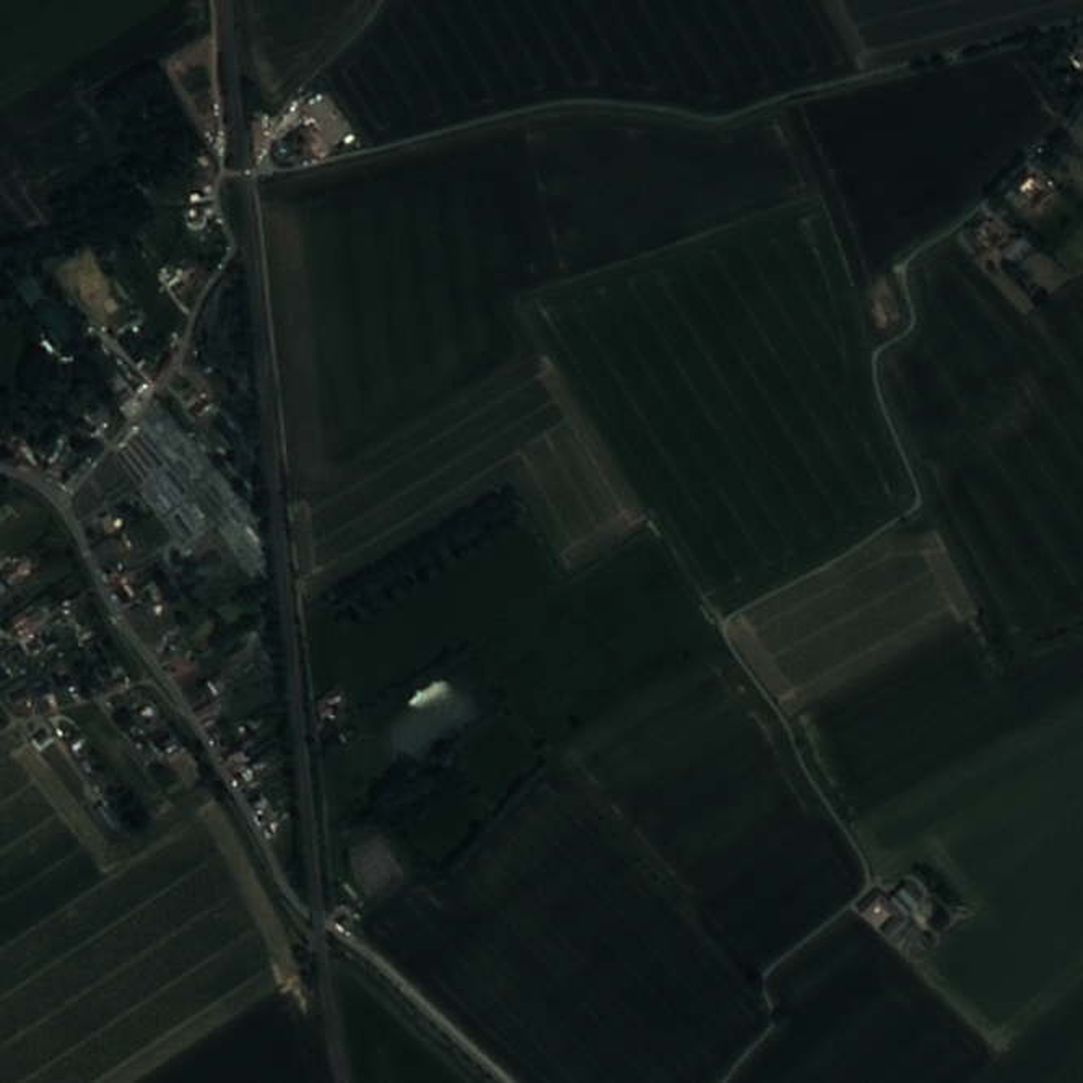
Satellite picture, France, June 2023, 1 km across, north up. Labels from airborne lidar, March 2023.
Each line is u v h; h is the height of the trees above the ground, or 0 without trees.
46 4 0
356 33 0
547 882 0
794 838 0
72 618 0
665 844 0
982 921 0
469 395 0
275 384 0
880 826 0
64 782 0
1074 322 0
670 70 0
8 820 0
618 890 0
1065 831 0
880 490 0
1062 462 0
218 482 0
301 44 0
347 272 0
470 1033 0
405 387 0
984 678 0
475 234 0
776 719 0
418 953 0
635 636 0
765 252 0
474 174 0
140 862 0
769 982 0
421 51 0
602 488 0
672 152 0
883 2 0
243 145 0
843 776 0
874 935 0
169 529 0
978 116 0
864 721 0
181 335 0
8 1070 0
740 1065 0
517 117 0
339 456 0
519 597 0
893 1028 0
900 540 0
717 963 0
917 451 0
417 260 0
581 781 0
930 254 0
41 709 0
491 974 0
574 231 0
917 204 0
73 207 23
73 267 0
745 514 0
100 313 0
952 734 0
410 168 0
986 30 0
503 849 0
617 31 0
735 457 0
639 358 0
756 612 0
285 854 0
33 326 9
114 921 0
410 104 0
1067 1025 0
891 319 0
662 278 0
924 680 0
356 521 0
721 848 0
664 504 0
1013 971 0
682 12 0
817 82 0
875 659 0
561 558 0
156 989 0
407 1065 0
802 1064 0
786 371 0
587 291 0
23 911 0
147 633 0
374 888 0
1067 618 0
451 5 0
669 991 0
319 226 0
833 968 0
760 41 0
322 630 0
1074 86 16
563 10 0
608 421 0
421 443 0
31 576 0
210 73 0
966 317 0
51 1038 0
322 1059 0
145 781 0
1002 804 0
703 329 0
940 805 0
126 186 14
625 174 0
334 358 0
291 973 0
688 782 0
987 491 0
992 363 0
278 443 0
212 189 0
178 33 0
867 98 0
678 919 0
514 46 0
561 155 0
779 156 0
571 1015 0
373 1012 0
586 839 0
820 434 0
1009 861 0
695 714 0
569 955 0
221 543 0
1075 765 0
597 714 0
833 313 0
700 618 0
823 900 0
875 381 0
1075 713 0
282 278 0
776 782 0
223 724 10
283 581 0
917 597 0
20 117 0
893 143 0
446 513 0
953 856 0
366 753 0
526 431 0
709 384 0
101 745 0
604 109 0
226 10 0
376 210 0
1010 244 0
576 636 0
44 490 0
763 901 0
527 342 0
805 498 0
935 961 0
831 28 0
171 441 0
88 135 0
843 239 0
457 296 0
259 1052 0
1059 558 0
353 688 0
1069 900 0
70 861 0
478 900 0
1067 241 0
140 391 0
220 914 0
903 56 0
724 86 0
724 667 0
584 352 0
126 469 0
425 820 0
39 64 0
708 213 0
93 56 0
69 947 0
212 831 0
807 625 0
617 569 0
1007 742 0
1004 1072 0
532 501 0
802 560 0
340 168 0
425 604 0
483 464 0
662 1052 0
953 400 0
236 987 0
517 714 0
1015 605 0
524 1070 0
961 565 0
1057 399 0
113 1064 0
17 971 0
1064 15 0
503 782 0
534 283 0
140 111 8
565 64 0
